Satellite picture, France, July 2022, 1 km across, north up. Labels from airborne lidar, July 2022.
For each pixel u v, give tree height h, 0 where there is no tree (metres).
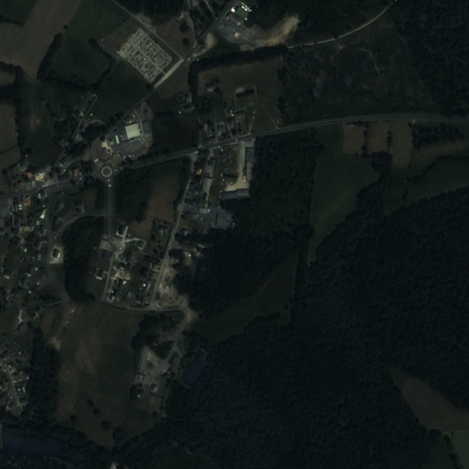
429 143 12
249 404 30
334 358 21
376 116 0
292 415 22
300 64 0
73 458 0
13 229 12
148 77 0
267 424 25
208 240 20
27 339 0
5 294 13
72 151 13
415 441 28
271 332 15
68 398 0
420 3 24
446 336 16
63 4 0
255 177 9
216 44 0
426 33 20
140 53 0
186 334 9
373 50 0
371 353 17
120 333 0
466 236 18
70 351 0
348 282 23
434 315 13
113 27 0
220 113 0
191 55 0
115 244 0
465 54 21
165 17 0
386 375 22
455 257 21
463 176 0
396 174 0
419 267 24
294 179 8
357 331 19
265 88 0
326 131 0
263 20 0
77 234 8
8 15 0
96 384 0
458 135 21
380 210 20
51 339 0
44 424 23
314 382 22
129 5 12
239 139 0
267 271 24
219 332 0
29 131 0
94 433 0
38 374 21
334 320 18
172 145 0
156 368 0
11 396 0
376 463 26
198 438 31
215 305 26
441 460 0
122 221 0
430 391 0
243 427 27
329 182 0
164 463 0
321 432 20
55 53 17
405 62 0
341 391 23
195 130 0
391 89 0
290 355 18
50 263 0
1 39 0
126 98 0
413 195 0
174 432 19
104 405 0
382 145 0
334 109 0
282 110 28
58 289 0
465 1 18
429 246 15
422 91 0
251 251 25
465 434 0
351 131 0
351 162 0
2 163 0
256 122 0
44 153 0
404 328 16
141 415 0
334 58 0
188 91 0
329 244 22
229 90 0
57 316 0
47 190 0
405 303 15
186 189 0
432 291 24
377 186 16
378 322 21
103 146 0
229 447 13
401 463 24
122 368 0
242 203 18
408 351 16
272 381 18
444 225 18
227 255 28
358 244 22
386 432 20
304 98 0
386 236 20
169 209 0
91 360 0
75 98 0
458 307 20
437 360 15
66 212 0
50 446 0
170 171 0
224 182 0
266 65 0
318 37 0
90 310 0
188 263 0
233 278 27
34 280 0
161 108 0
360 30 0
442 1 19
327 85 0
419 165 0
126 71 0
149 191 0
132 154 0
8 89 10
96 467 11
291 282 0
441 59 20
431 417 0
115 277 0
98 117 0
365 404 22
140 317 0
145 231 0
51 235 0
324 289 18
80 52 0
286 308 16
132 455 17
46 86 0
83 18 0
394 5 8
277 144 8
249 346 15
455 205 21
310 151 9
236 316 0
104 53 12
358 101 0
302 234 23
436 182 0
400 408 23
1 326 0
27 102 0
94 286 0
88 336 0
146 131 0
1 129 0
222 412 26
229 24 0
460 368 21
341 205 0
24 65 0
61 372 0
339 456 19
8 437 0
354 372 22
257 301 0
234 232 24
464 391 25
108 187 0
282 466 19
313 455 19
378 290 24
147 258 10
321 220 0
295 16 0
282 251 25
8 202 0
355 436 17
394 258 24
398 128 0
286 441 27
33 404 17
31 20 0
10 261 0
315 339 17
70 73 0
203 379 19
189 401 17
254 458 26
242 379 15
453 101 8
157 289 0
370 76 0
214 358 13
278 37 0
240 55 19
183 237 11
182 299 0
